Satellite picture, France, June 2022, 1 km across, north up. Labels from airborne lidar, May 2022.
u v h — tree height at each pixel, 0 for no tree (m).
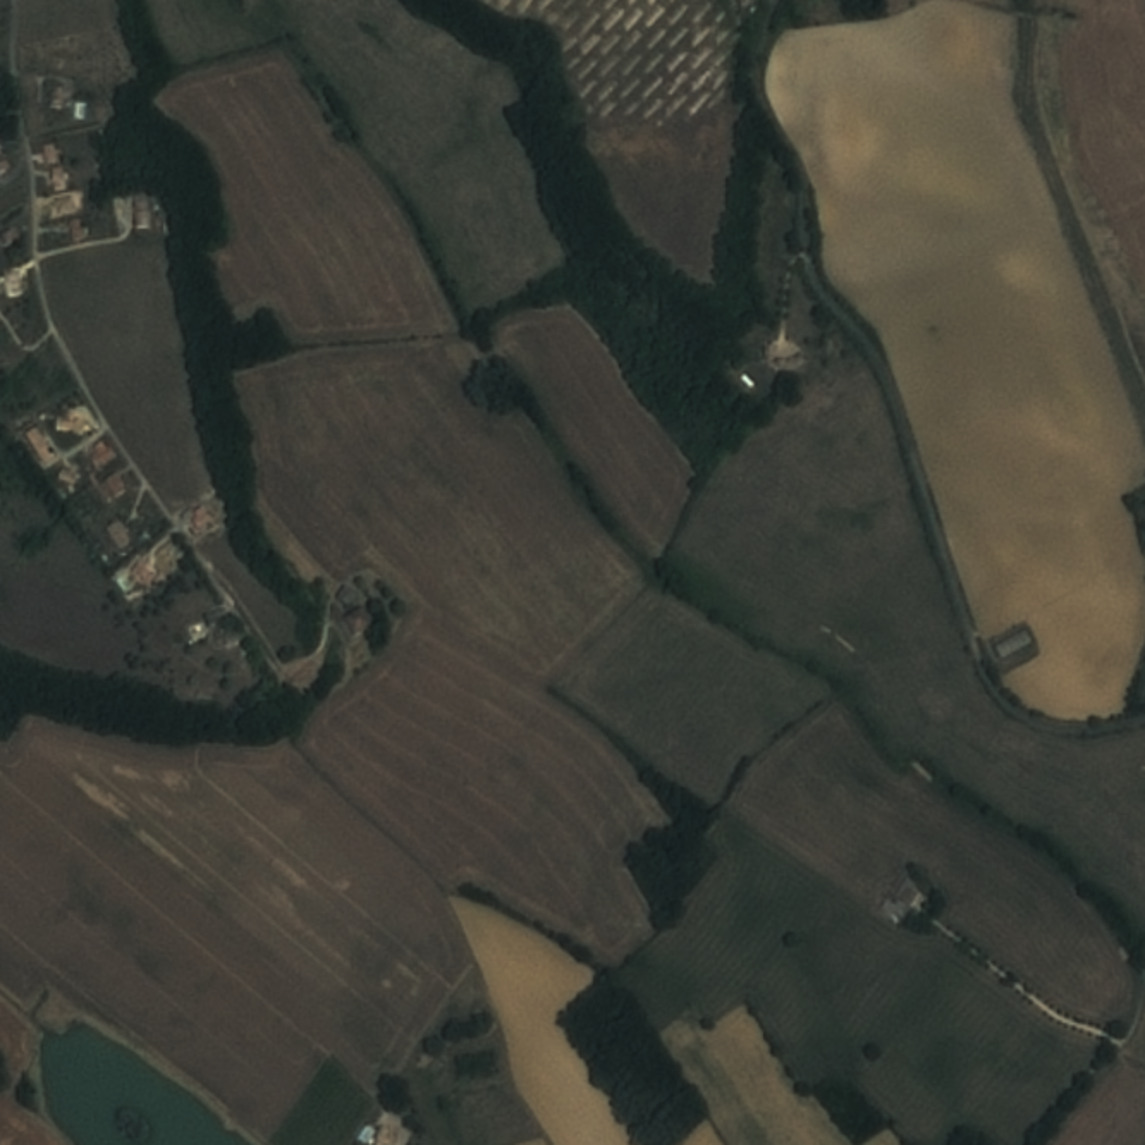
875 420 0
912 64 0
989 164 0
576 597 0
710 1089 0
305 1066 0
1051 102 0
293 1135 0
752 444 0
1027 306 0
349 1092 0
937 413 0
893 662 0
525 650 0
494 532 0
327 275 0
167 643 0
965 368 0
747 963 0
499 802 0
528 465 0
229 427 23
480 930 0
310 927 0
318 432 0
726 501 0
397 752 0
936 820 0
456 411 0
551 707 0
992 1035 0
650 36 0
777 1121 0
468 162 0
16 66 0
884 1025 0
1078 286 0
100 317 0
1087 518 0
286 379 0
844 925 0
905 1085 0
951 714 0
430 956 0
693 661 0
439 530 0
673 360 13
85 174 0
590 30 0
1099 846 0
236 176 0
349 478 0
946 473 0
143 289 0
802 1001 0
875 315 0
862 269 0
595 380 0
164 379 0
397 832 0
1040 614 0
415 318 0
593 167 10
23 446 6
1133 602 0
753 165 13
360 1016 0
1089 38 0
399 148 0
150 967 0
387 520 0
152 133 13
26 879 0
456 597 0
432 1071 0
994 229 0
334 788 0
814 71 0
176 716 19
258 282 0
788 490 0
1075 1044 0
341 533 0
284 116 0
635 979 0
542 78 10
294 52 0
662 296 10
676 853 19
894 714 0
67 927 0
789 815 0
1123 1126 0
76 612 0
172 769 0
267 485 0
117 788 0
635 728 0
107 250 0
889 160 0
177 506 0
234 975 0
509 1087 0
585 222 15
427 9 17
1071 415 0
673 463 0
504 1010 0
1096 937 0
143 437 0
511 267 0
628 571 0
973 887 0
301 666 0
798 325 0
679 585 9
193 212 15
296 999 0
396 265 0
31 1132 0
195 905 0
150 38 6
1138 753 0
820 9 0
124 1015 0
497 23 9
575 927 0
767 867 0
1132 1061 0
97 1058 0
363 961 0
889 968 0
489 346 14
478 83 0
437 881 0
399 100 0
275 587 14
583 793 0
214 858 0
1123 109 0
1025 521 0
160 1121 0
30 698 17
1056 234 0
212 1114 0
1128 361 0
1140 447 0
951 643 0
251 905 0
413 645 0
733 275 14
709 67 0
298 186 0
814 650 0
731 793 8
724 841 0
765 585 0
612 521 5
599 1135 0
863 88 0
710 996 0
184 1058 0
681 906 15
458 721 0
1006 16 0
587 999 17
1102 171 0
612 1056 18
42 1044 0
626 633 0
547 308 7
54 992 0
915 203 0
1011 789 0
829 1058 0
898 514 0
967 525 0
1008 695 9
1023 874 0
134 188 8
